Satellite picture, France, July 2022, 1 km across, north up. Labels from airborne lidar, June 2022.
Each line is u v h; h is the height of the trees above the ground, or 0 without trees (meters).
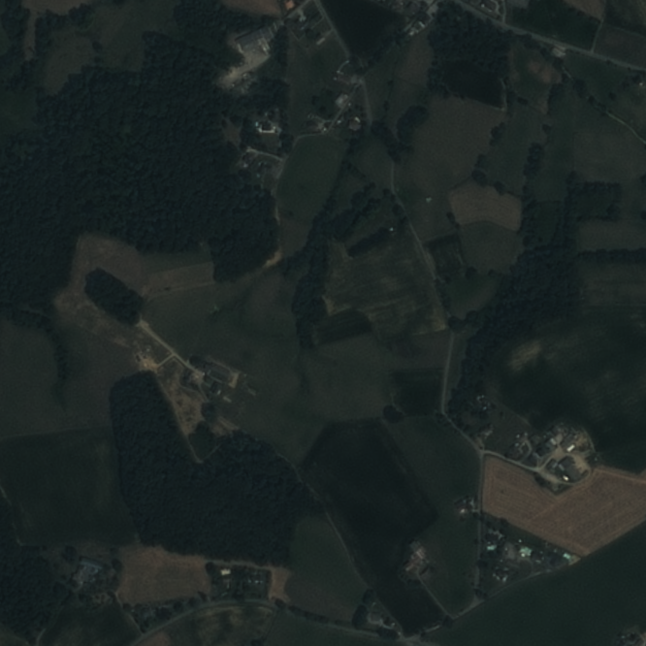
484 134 0
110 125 31
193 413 0
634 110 0
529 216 9
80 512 0
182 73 24
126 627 0
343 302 0
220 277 16
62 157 29
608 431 0
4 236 21
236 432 0
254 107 12
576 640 0
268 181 0
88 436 0
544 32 0
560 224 6
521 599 0
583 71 0
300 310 21
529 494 0
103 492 0
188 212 30
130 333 0
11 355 0
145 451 29
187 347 0
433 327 0
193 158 32
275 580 0
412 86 0
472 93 0
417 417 0
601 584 0
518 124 0
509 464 0
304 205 0
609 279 0
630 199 0
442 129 0
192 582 0
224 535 26
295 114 0
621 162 0
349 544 0
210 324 0
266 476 23
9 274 25
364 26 0
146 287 0
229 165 27
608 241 0
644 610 0
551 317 26
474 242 0
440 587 0
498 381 0
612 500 0
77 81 25
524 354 0
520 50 0
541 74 0
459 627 0
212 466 28
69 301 0
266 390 0
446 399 0
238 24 13
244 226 23
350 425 0
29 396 0
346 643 0
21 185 18
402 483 0
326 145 0
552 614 0
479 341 24
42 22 15
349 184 0
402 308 0
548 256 21
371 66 13
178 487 27
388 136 24
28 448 0
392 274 0
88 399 0
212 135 25
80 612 0
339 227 23
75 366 0
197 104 21
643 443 0
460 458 0
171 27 0
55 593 21
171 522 29
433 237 0
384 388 0
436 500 0
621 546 0
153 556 0
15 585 24
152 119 25
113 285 24
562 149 0
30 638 11
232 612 0
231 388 0
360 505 0
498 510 0
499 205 0
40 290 19
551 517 0
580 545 0
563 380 0
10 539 22
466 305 0
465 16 23
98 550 0
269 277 0
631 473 0
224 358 0
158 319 0
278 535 29
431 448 0
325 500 0
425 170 0
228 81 0
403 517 0
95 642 0
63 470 0
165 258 0
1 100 0
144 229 30
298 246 0
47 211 21
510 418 0
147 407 26
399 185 0
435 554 0
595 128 0
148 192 29
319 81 0
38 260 19
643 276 0
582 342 0
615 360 0
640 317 0
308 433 0
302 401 0
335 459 0
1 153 22
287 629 0
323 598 0
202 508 24
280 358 0
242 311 0
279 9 0
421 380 0
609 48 0
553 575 0
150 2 0
